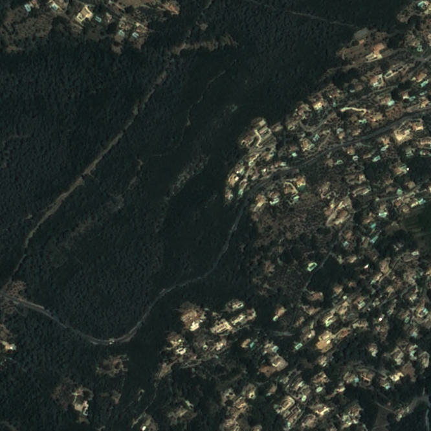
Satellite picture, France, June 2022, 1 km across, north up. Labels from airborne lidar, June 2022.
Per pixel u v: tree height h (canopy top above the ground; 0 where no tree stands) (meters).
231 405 16
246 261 23
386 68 12
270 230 7
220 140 8
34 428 11
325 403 11
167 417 11
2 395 19
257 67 14
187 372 12
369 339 7
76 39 8
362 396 15
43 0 8
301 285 7
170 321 14
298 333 9
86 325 6
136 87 11
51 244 17
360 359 22
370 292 13
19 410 11
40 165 16
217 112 7
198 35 13
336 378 10
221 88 9
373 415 19
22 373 18
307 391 0
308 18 9
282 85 15
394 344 14
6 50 19
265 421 7
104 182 10
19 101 9
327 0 7
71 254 7
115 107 11
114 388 10
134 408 13
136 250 11
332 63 10
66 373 18
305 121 12
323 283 16
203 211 9
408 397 11
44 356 20
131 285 12
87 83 17
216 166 12
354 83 8
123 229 13
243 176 9
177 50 0
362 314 12
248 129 6
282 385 10
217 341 7
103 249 7
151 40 12
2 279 11
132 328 11
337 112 11
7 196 19
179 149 8
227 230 9
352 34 14
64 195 0
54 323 20
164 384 9
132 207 6
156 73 16
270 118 10
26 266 19
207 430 22
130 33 7
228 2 17
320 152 6
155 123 12
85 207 6
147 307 19
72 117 15
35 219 12
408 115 8
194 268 7
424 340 22
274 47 10
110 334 13
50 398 11
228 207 10
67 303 15
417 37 7
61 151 14
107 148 12
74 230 16
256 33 16
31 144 16
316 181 6
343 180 12
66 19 6
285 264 6
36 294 9
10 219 16
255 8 17
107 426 8
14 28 10
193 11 12
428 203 6
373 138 11
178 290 13
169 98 7
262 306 12
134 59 14
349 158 7
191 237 11
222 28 20
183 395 9
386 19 12
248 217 12
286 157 8
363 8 10
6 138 17
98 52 8
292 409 8
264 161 8
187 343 7
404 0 6
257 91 13
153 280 12
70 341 15
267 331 18
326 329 14
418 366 25
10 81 18
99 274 11
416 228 0
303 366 24
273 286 7
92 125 11
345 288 15
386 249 6
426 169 7
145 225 11
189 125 7
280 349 7
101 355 9
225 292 11
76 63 15
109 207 45
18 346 8
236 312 7
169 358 11
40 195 10
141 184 10
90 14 0
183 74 7
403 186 9
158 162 8
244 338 15
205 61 11
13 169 15
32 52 17
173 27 12
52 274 7
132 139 12
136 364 8
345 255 11
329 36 14
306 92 10
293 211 13
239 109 9
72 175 12
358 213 12
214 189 13
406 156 7
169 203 13
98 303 17
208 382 14
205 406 12
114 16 6
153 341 10
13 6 13
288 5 17
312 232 6
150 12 8
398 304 13
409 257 0
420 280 15
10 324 15
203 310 10
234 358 10
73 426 14
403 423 13
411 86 10
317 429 11
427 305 11
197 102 7
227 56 15
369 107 10
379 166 9
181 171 10
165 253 13
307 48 9
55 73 13
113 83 11
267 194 7
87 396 14
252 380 17
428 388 15
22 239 9
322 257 18
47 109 16
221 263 10
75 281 17
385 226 6
